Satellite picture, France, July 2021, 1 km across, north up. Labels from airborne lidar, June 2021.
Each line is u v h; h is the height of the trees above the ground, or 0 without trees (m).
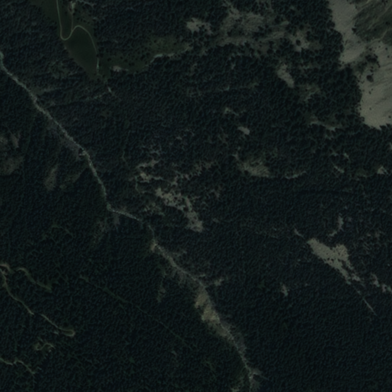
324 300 14
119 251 21
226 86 10
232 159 24
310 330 23
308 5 25
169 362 15
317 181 12
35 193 14
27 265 20
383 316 18
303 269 13
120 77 17
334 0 0
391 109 0
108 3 15
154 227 13
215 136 15
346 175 13
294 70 8
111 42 15
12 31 17
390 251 20
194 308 12
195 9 13
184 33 13
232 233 19
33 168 21
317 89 0
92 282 19
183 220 19
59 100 18
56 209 27
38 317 23
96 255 20
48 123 12
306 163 21
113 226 12
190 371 23
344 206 15
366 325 24
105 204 9
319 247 0
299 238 16
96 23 9
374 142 21
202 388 22
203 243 14
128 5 12
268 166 13
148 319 29
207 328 6
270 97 19
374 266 16
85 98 12
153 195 15
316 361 29
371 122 0
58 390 26
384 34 0
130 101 13
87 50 0
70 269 16
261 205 22
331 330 19
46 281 16
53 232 10
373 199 13
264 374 12
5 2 9
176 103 17
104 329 20
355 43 0
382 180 21
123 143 30
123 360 8
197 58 8
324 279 17
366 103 0
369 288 9
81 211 26
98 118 18
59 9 0
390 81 0
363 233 13
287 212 16
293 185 22
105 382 22
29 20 9
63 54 11
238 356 10
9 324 26
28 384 30
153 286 10
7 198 27
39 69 6
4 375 24
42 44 12
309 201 15
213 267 13
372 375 18
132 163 11
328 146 11
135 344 25
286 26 0
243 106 13
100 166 7
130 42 10
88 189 25
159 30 13
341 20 0
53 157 13
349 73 19
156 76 15
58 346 15
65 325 20
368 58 9
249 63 20
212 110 16
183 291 14
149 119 13
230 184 27
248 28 0
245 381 10
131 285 29
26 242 24
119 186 27
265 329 27
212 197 14
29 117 23
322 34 14
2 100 9
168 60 16
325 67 16
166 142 15
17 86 18
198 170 9
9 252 11
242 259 20
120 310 32
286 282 17
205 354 23
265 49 0
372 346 23
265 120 16
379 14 0
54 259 15
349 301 18
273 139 12
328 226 12
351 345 20
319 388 26
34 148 8
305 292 17
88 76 13
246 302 15
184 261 11
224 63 11
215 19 17
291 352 26
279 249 15
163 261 7
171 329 25
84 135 20
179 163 11
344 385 20
